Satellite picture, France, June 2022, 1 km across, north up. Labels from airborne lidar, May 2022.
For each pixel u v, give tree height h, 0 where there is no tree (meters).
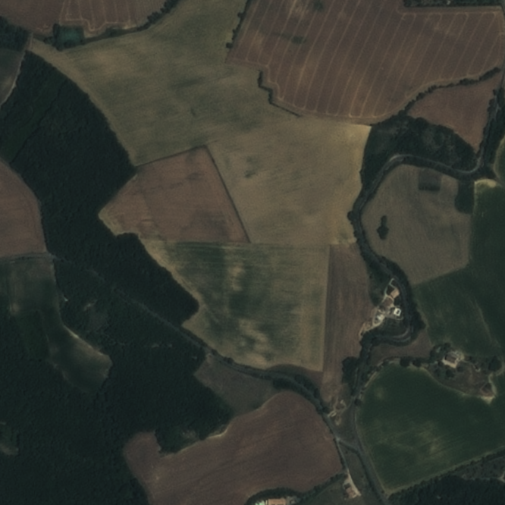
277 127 0
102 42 0
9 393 19
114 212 0
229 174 0
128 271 17
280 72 0
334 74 0
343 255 0
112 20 0
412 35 0
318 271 0
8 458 16
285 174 0
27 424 13
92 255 16
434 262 0
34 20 0
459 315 0
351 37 0
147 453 0
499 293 0
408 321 13
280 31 0
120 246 16
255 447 0
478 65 0
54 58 0
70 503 19
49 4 0
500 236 0
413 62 0
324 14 0
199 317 0
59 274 12
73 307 12
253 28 0
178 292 15
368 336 18
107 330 12
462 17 0
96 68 0
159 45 0
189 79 0
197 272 0
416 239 0
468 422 0
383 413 0
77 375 0
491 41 0
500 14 0
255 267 0
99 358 0
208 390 13
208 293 0
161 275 18
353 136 0
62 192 14
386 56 0
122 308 13
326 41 0
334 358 0
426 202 0
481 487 19
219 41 0
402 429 0
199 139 0
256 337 0
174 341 16
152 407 17
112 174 13
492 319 0
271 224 0
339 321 0
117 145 17
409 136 11
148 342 12
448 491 12
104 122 17
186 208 0
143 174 0
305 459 0
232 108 0
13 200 0
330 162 0
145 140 0
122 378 16
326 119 0
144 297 14
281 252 0
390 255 0
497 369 13
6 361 22
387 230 13
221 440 0
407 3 16
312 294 0
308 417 0
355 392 16
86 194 15
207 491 0
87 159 17
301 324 0
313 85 0
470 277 0
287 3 0
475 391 0
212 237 0
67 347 0
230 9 0
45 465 13
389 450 0
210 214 0
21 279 0
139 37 0
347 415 0
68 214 15
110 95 0
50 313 0
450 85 9
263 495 6
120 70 0
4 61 0
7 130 13
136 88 0
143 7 0
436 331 0
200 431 10
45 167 14
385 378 0
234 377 0
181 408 14
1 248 0
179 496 0
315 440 0
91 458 15
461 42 0
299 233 0
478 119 0
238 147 0
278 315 0
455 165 8
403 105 0
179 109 0
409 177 0
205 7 0
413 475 0
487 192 0
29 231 0
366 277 0
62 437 14
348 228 0
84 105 16
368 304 0
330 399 0
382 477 0
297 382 12
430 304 0
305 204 0
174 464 0
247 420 0
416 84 0
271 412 0
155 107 0
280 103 0
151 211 0
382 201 0
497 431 0
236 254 0
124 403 21
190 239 0
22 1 0
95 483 18
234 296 0
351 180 0
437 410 0
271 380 8
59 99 11
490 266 0
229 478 0
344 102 0
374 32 0
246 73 0
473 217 0
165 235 0
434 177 0
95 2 0
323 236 0
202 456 0
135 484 18
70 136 14
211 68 0
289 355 0
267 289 0
